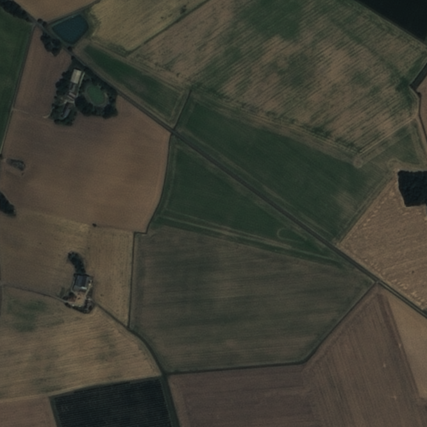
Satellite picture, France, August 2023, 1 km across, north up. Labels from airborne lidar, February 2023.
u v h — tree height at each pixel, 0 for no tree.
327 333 0
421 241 0
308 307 0
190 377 0
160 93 0
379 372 0
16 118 0
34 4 0
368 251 0
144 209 0
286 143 0
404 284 0
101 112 19
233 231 0
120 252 0
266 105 0
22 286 0
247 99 0
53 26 0
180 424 0
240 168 0
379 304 0
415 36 0
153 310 0
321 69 0
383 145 0
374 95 0
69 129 0
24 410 0
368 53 0
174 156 0
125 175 0
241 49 0
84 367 0
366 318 0
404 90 0
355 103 0
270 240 0
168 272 0
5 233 0
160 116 0
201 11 0
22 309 0
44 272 0
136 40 0
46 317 0
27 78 0
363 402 0
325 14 0
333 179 0
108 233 0
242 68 0
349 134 0
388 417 0
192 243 0
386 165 0
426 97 0
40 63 0
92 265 0
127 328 0
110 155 0
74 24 0
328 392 0
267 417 0
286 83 0
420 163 0
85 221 0
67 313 0
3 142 0
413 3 0
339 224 0
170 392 0
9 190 0
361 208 0
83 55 0
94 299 0
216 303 0
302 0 0
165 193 0
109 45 0
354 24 0
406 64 0
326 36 0
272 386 0
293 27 0
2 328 0
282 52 0
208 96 0
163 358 0
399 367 0
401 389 0
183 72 0
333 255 0
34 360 0
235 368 0
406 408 0
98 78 14
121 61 0
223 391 0
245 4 0
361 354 0
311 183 0
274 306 0
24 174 0
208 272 0
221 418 0
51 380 0
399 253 0
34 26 0
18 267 0
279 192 0
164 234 0
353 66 0
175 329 0
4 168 0
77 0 0
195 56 0
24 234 0
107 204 0
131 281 0
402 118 0
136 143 0
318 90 0
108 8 0
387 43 0
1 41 0
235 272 0
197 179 0
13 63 0
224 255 0
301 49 0
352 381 0
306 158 0
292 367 0
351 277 0
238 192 0
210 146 0
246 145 0
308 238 0
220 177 0
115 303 0
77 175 0
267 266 0
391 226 0
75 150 0
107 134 0
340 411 0
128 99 0
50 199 0
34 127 0
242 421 0
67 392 0
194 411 0
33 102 0
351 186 0
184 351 0
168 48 0
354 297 0
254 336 0
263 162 0
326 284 0
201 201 0
